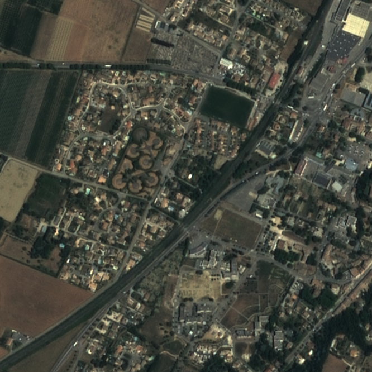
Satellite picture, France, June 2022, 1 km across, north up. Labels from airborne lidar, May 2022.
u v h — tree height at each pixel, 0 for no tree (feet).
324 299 92
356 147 0
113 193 32
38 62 0
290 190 52
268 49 0
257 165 42
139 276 0
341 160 21
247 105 0
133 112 0
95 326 27
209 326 20
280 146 26
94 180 21
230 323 0
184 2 0
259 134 20
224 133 0
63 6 0
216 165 0
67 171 27
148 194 28
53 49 0
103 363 49
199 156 36
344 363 0
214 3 0
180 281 0
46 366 0
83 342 0
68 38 0
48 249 42
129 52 0
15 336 0
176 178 38
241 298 0
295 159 41
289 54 0
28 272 0
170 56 0
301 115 0
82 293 0
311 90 0
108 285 0
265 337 45
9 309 0
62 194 0
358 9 0
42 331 0
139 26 0
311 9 0
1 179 0
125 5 0
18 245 0
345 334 30
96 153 32
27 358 0
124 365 22
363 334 34
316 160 0
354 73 0
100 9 0
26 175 0
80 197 34
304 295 98
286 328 46
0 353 0
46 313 0
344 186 0
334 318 55
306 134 0
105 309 0
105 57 0
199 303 0
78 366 18
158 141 0
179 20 0
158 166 0
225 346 0
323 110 0
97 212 43
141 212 48
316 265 40
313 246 0
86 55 0
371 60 33
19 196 0
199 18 0
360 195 62
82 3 0
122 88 0
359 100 0
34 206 0
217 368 38
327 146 30
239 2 33
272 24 26
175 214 32
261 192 44
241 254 86
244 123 0
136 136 0
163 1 0
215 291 0
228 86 53
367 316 55
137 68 61
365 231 50
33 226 0
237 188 42
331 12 0
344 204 39
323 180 0
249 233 0
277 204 35
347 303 0
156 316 0
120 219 0
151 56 0
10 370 0
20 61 0
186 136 54
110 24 0
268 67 0
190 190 35
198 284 0
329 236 26
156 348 37
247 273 0
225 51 18
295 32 0
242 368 0
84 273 0
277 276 0
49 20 0
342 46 0
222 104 0
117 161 20
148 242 30
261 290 0
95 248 0
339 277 45
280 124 21
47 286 0
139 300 27
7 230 22
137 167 44
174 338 0
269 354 34
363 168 0
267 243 29
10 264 0
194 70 0
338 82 0
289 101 48
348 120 0
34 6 27
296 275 0
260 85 21
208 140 21
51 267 0
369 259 0
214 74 0
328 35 0
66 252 46
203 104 0
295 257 48
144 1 0
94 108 0
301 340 83
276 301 0
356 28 0
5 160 44
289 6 22
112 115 0
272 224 21
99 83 0
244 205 0
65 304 0
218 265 0
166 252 0
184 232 0
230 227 0
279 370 44
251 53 20
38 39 0
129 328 35
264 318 0
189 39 0
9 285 0
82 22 0
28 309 0
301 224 0
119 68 57
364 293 24
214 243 22
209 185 41
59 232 31
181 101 41
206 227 0
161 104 0
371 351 39
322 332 53
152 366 45
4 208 0
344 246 44
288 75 25
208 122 0
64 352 0
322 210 29
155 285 0
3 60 0
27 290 0
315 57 0
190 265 0
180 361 21
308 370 22
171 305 0
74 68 55
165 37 0
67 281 0
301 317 22
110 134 27
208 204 0
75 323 0
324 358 46
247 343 0
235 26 0
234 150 0
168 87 0
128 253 0
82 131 0
